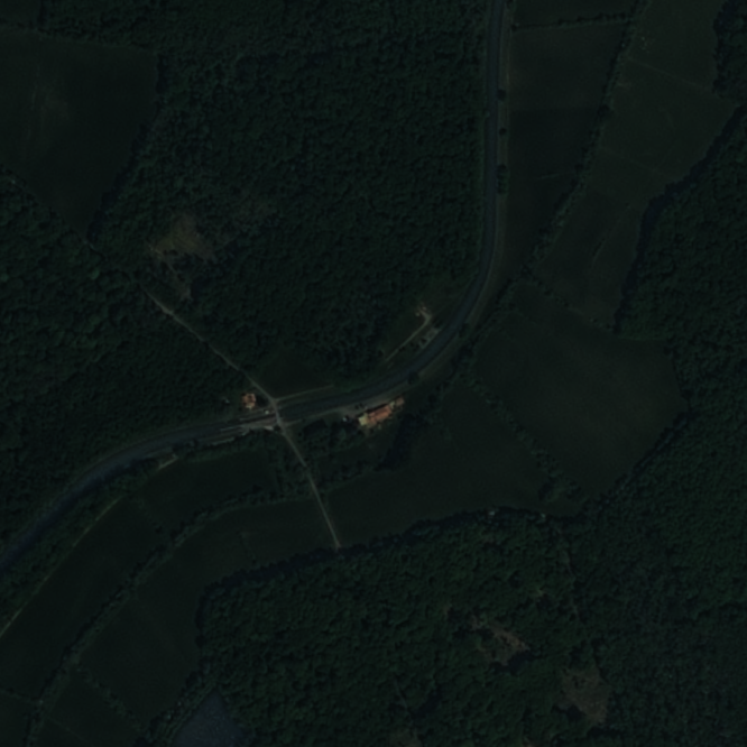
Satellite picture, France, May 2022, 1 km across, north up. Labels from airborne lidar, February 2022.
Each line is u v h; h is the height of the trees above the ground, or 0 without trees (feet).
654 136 0
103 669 0
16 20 0
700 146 0
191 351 64
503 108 0
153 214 68
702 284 82
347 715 83
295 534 0
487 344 0
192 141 50
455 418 0
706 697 58
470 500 0
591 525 83
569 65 0
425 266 84
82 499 64
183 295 0
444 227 88
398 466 75
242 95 62
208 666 61
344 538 0
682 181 0
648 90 0
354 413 0
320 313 76
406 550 86
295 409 0
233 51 61
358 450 0
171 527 0
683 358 62
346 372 60
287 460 32
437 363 0
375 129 92
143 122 0
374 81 78
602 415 0
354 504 0
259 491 51
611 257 0
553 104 0
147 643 0
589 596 80
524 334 0
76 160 0
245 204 72
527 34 0
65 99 0
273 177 93
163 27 65
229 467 0
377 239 84
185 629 0
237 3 50
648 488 72
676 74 0
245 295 74
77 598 0
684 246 84
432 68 91
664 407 0
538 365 0
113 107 0
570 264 0
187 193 85
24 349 98
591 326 0
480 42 55
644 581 77
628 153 0
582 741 95
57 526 75
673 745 83
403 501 0
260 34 55
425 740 68
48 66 0
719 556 84
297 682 79
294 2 91
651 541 71
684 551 89
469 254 80
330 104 86
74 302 102
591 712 0
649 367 0
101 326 100
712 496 80
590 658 81
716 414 87
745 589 87
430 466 0
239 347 76
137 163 60
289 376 0
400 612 102
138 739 0
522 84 0
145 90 0
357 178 102
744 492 64
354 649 95
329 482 60
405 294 94
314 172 91
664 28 0
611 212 0
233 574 0
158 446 0
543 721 81
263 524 0
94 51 0
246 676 88
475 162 94
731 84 48
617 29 0
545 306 0
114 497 66
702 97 0
